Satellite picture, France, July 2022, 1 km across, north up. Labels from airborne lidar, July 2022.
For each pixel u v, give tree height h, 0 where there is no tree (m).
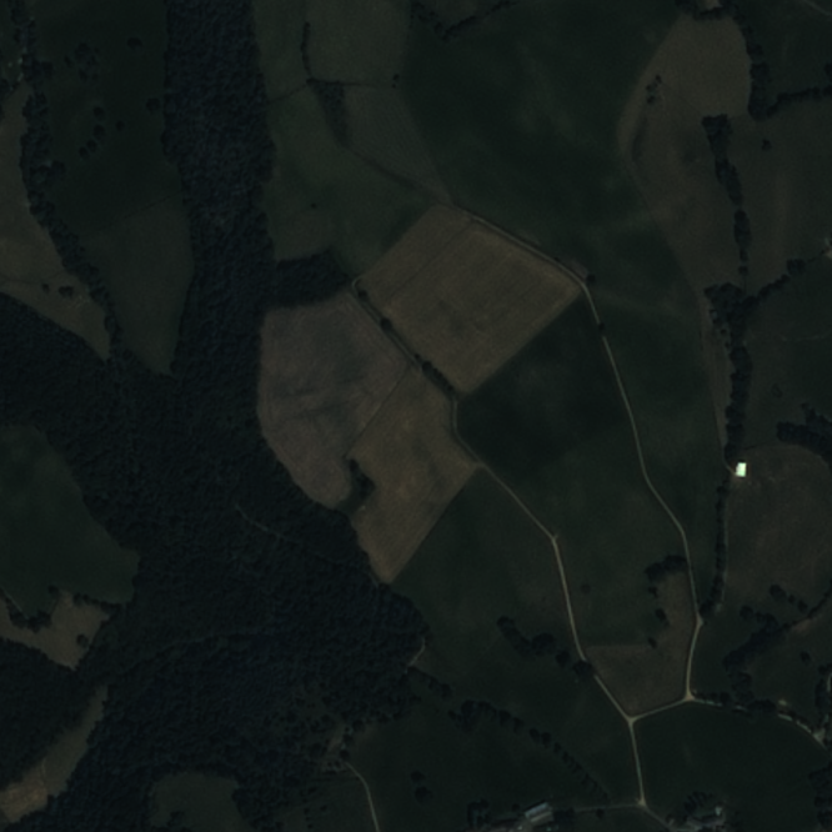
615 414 0
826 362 0
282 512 13
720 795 0
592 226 0
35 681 21
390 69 0
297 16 0
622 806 0
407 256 0
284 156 0
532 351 0
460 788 0
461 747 0
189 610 6
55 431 21
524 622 0
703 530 0
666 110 0
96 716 0
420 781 15
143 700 7
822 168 0
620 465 0
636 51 0
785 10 0
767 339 0
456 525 0
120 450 21
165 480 11
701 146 0
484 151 0
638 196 0
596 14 0
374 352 0
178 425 13
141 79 0
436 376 9
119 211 0
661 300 0
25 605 0
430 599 0
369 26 0
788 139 0
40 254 0
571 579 0
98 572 0
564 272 0
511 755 0
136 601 13
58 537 0
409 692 16
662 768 0
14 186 0
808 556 0
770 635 25
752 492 0
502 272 0
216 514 13
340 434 0
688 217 0
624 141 0
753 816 0
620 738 0
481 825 15
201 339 21
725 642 0
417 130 0
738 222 13
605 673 0
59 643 0
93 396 20
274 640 18
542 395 0
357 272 0
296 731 12
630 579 0
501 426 0
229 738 26
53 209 16
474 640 0
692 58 0
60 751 0
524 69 0
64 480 0
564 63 0
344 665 17
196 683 15
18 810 0
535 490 0
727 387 0
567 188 0
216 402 9
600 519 0
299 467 0
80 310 0
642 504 0
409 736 0
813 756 0
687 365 0
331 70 0
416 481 0
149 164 0
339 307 0
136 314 0
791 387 0
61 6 0
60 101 0
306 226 0
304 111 0
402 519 0
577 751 0
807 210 0
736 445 18
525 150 0
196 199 16
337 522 16
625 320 0
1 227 0
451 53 0
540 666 0
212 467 16
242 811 16
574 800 0
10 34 0
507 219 0
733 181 19
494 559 0
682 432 0
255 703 25
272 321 0
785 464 0
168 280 0
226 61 19
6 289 0
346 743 9
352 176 0
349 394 0
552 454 0
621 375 0
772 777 0
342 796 0
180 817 7
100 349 0
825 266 0
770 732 0
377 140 0
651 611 0
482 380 0
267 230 18
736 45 0
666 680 0
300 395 0
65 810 23
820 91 11
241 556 13
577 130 0
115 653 8
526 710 0
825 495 0
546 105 0
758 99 19
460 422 0
